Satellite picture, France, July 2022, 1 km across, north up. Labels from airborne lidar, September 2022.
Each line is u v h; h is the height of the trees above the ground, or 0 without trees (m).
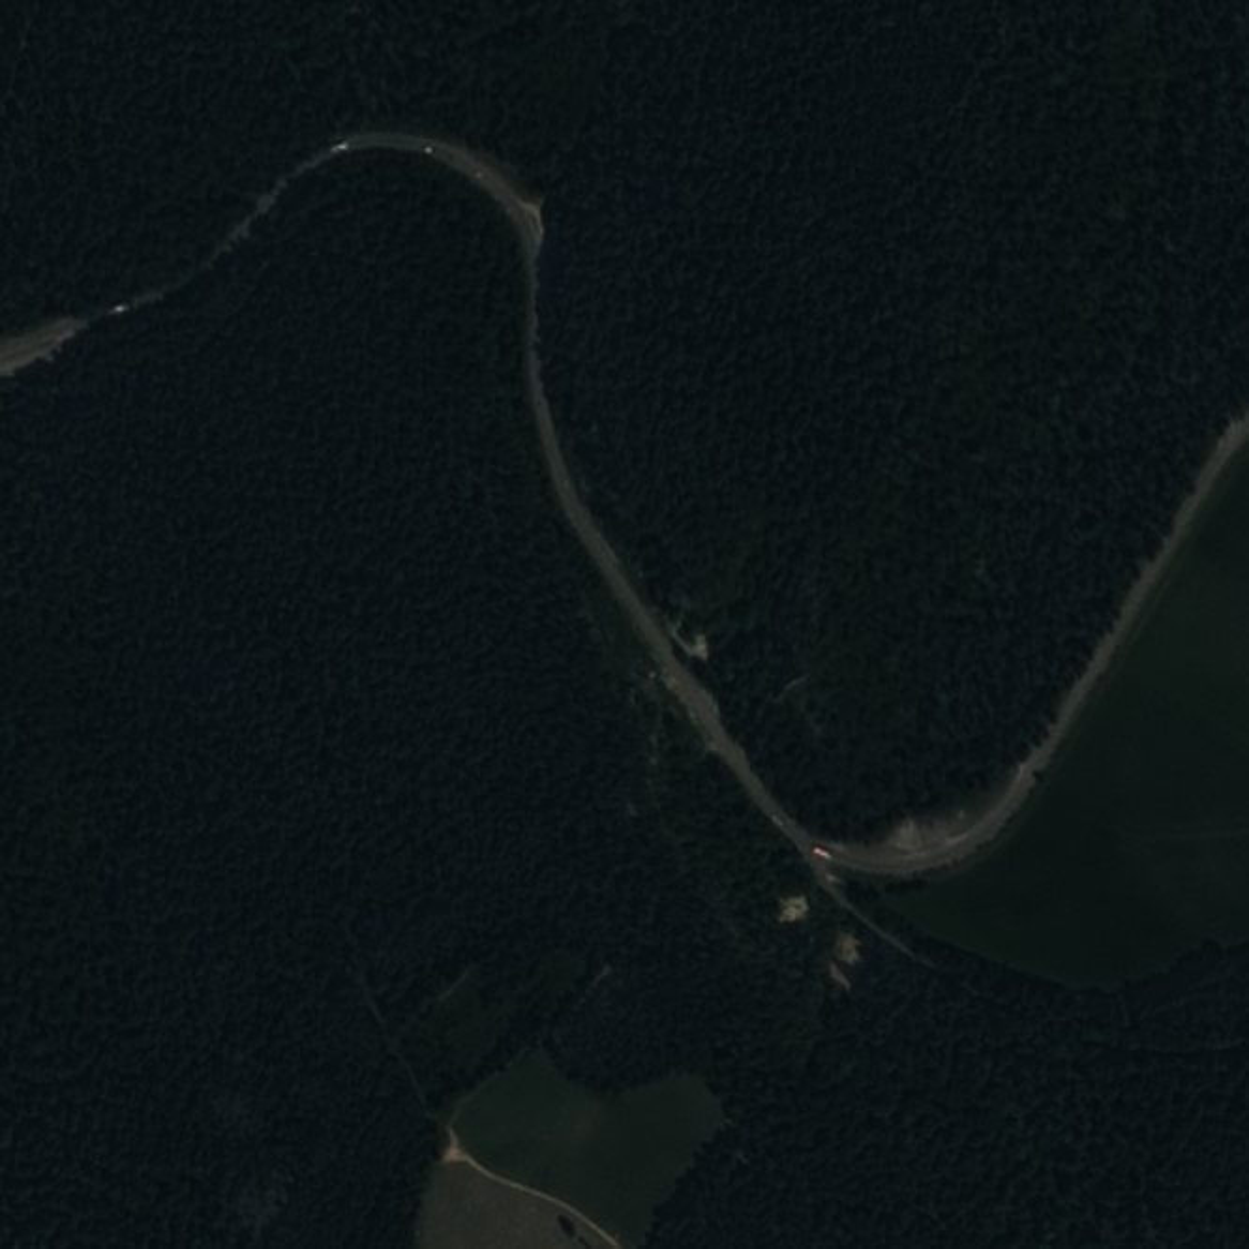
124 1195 27
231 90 26
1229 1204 26
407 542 22
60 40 27
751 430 20
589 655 19
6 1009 26
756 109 20
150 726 32
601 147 32
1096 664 0
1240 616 0
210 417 21
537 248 0
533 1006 9
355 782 24
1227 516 0
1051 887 0
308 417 24
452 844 21
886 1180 24
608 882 17
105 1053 20
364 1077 23
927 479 22
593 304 12
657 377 22
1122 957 0
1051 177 19
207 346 27
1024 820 0
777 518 27
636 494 11
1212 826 0
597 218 26
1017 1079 31
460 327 24
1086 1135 16
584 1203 0
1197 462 10
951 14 9
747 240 6
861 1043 36
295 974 9
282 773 20
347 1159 21
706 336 15
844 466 20
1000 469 27
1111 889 0
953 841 0
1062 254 17
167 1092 22
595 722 20
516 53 18
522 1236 0
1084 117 22
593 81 17
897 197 16
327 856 24
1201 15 15
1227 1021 33
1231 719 0
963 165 16
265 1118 23
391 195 32
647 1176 0
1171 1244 28
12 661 22
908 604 15
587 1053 27
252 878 22
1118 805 0
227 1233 20
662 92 13
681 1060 16
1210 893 0
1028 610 25
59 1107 33
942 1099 37
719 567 13
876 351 24
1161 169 15
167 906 20
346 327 21
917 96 7
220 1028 14
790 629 10
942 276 13
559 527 19
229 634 23
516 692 20
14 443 25
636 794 8
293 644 20
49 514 13
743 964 26
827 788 26
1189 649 0
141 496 26
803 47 21
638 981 25
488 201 10
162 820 30
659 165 9
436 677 19
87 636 26
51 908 15
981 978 19
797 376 20
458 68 35
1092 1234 36
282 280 17
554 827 17
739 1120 17
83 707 26
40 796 13
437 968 8
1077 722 0
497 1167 0
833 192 16
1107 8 23
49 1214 29
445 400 29
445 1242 0
